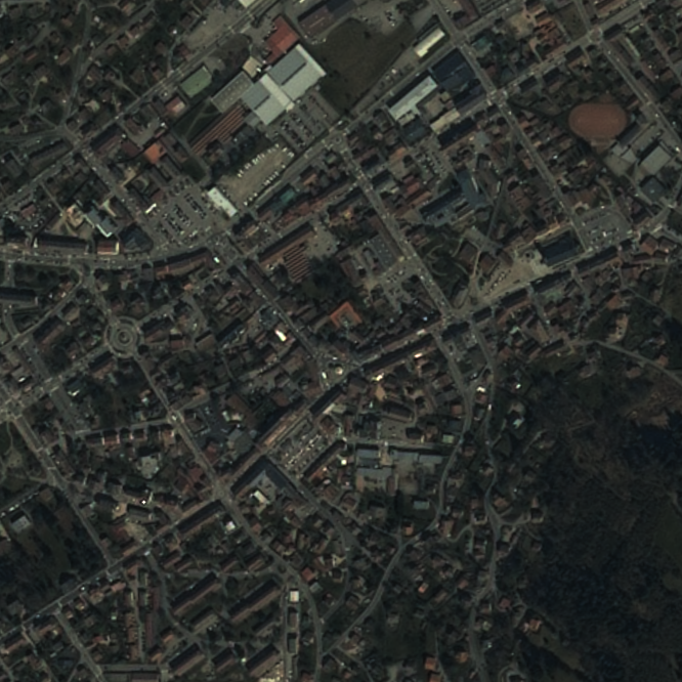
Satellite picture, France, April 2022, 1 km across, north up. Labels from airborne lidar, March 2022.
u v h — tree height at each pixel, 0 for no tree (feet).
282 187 0
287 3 0
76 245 0
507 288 0
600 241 0
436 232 51
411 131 0
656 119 0
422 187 0
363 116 0
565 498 42
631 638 64
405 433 0
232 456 0
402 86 0
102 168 0
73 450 55
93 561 78
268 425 0
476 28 0
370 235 47
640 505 28
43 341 0
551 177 0
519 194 0
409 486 0
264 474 0
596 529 32
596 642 43
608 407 28
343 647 0
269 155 0
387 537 34
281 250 0
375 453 0
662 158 0
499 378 0
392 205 0
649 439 19
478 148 0
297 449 0
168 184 0
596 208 0
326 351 0
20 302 0
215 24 0
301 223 0
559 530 22
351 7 0
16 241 0
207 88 22
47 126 0
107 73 0
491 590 0
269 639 24
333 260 23
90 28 0
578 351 0
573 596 84
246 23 0
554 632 38
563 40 0
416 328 0
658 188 0
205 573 0
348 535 0
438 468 35
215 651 45
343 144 0
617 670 109
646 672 43
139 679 0
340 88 0
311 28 0
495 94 0
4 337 0
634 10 0
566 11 0
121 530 0
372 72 0
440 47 0
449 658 32
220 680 0
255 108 0
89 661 0
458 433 0
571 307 0
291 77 0
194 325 0
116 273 31
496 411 19
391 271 0
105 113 0
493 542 33
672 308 0
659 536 0
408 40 0
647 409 0
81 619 64
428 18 0
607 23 0
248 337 0
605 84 0
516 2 0
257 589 0
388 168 0
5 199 0
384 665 29
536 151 0
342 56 0
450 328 0
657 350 36
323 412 0
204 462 0
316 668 0
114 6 0
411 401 32
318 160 0
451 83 0
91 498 53
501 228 0
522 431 0
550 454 0
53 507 30
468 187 0
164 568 35
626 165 0
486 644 0
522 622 0
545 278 0
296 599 0
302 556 22
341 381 0
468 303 0
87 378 26
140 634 0
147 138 0
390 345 0
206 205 0
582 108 0
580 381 0
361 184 0
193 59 0
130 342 0
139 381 71
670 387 0
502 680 0
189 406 0
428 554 0
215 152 0
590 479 20
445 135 0
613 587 92
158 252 0
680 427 83
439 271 0
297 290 32
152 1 0
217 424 0
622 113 0
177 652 0
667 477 56
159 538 0
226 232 0
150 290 56
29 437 0
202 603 0
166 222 0
